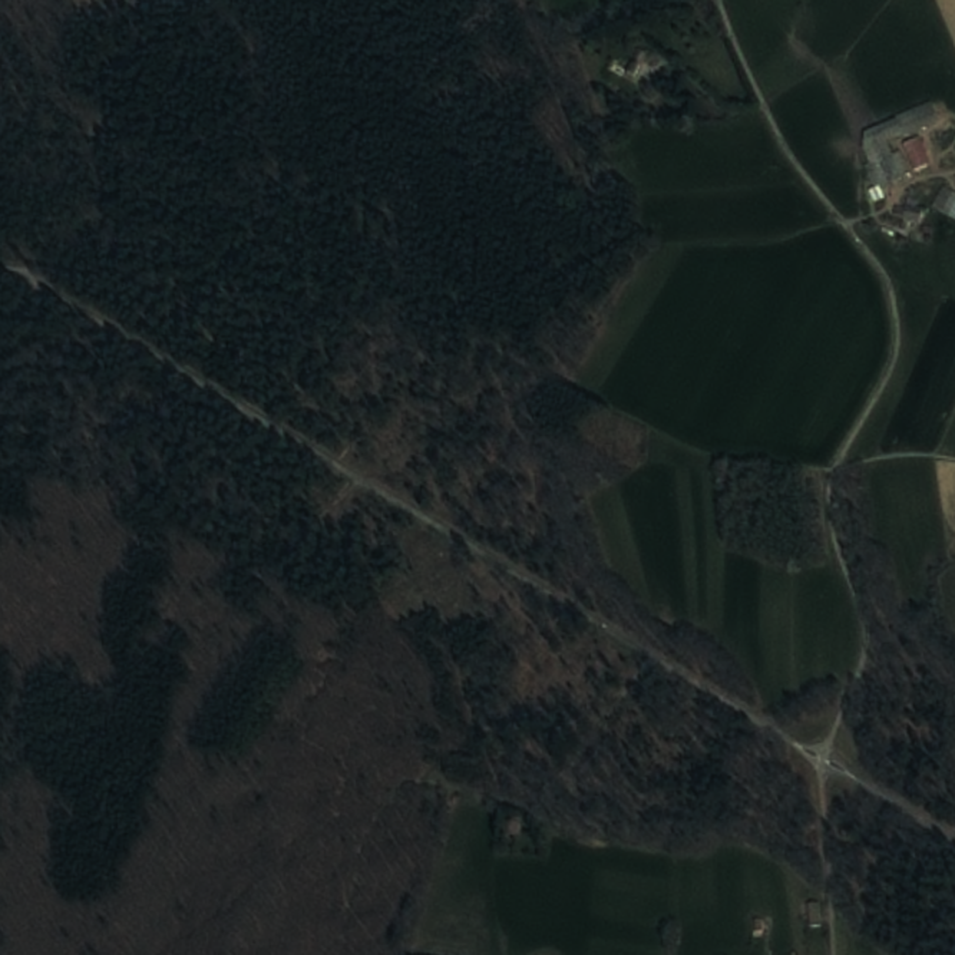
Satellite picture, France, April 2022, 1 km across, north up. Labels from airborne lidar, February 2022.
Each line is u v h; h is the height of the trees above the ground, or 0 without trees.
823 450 0
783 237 0
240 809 10
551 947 0
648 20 28
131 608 24
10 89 28
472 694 13
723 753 34
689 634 20
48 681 26
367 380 27
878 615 24
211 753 27
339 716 9
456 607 0
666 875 0
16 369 27
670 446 0
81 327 35
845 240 0
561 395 27
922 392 0
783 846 26
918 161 0
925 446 0
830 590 0
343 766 7
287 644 18
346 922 6
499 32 25
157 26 29
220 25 31
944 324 0
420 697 15
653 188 0
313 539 30
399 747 9
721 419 0
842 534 23
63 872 25
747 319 0
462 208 25
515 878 0
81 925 18
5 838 18
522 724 10
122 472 25
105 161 28
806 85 0
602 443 0
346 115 29
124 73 25
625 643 0
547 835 11
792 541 25
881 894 29
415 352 23
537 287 27
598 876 0
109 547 18
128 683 23
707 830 29
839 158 0
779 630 0
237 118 32
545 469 29
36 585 16
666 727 29
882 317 0
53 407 26
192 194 31
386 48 32
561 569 31
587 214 29
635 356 0
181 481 36
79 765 25
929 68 0
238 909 13
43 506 17
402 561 14
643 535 0
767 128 0
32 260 17
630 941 0
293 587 21
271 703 21
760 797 30
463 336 24
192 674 18
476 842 0
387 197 28
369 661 11
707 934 0
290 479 38
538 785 32
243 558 22
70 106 25
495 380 30
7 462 25
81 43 29
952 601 0
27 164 27
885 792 27
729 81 0
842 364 0
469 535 25
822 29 0
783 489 22
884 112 0
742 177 0
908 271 0
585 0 0
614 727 10
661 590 0
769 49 0
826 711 26
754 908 0
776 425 0
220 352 13
